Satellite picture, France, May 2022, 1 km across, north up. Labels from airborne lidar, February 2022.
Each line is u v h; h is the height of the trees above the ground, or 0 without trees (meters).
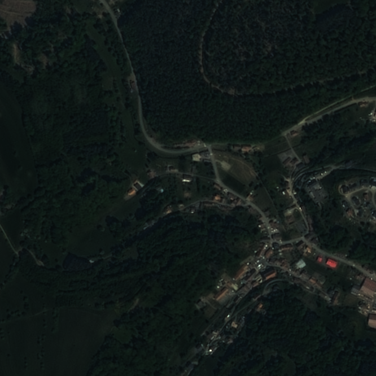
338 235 23
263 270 0
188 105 26
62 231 28
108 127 12
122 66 15
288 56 30
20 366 0
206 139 20
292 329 27
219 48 27
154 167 0
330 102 24
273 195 11
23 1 0
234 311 0
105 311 0
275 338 22
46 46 32
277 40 27
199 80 28
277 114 27
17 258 10
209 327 0
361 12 32
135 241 13
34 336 0
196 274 26
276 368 19
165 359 12
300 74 31
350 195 0
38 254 16
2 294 0
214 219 22
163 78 29
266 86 27
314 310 0
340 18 20
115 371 31
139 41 27
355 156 0
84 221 28
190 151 0
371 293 0
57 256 0
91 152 26
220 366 17
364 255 26
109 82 0
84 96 19
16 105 0
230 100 26
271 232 0
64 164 22
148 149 0
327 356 30
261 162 10
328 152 13
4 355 0
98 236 0
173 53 31
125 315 14
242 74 26
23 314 9
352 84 29
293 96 27
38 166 20
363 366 31
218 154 0
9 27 0
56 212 28
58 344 0
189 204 0
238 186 0
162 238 26
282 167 0
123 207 0
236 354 16
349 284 0
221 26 21
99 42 0
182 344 0
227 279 0
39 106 22
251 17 29
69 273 9
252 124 26
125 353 27
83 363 0
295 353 29
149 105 30
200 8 26
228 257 28
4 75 19
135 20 24
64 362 0
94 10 0
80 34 26
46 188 13
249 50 21
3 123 0
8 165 0
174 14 26
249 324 19
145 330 28
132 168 0
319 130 21
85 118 24
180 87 28
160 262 22
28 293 0
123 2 0
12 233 0
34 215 23
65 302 0
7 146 0
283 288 0
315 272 0
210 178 0
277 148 0
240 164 0
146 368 10
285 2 27
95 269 17
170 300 31
